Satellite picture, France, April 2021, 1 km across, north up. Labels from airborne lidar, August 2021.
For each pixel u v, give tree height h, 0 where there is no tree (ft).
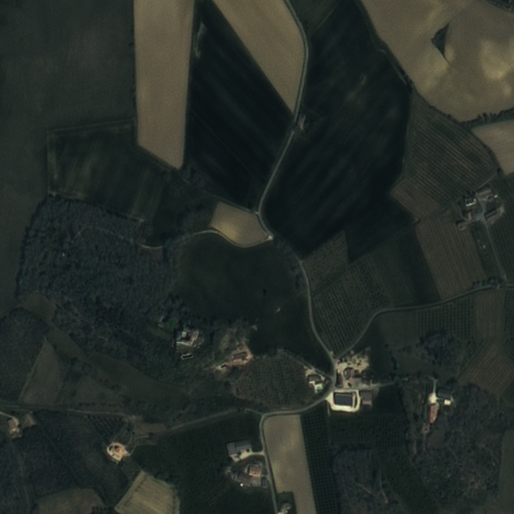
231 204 0
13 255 0
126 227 73
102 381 46
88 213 67
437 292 0
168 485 42
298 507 0
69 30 0
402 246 0
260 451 0
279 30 0
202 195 0
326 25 0
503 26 0
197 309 0
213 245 0
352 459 71
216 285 0
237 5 0
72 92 0
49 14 0
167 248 46
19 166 0
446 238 0
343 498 56
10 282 0
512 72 0
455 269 0
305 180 0
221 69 0
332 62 0
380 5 0
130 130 0
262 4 0
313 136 0
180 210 0
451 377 0
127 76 0
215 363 37
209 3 0
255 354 20
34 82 0
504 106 0
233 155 0
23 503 60
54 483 28
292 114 0
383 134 0
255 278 0
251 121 0
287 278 0
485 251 0
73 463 33
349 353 0
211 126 0
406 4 0
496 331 0
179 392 0
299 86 0
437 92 0
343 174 0
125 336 38
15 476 65
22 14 0
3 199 0
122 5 0
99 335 40
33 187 0
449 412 30
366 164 0
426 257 0
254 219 0
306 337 0
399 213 0
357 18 0
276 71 0
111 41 0
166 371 40
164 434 0
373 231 0
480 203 0
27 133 0
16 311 24
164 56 0
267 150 0
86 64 0
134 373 0
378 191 0
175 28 0
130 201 0
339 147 0
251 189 0
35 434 38
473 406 51
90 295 39
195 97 0
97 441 22
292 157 0
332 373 35
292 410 0
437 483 28
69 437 33
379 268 0
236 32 0
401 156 0
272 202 0
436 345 57
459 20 0
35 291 36
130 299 64
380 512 50
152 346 44
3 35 0
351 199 0
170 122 0
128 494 0
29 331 23
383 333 0
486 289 0
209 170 0
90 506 0
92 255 61
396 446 19
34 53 0
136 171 0
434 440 0
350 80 0
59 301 52
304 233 0
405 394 37
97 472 20
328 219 0
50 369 0
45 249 61
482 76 0
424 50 0
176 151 0
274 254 0
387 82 0
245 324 53
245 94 0
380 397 0
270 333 0
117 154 0
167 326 39
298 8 0
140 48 0
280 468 0
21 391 23
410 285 0
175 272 67
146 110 0
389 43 0
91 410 54
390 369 0
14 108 0
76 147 0
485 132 0
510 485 0
